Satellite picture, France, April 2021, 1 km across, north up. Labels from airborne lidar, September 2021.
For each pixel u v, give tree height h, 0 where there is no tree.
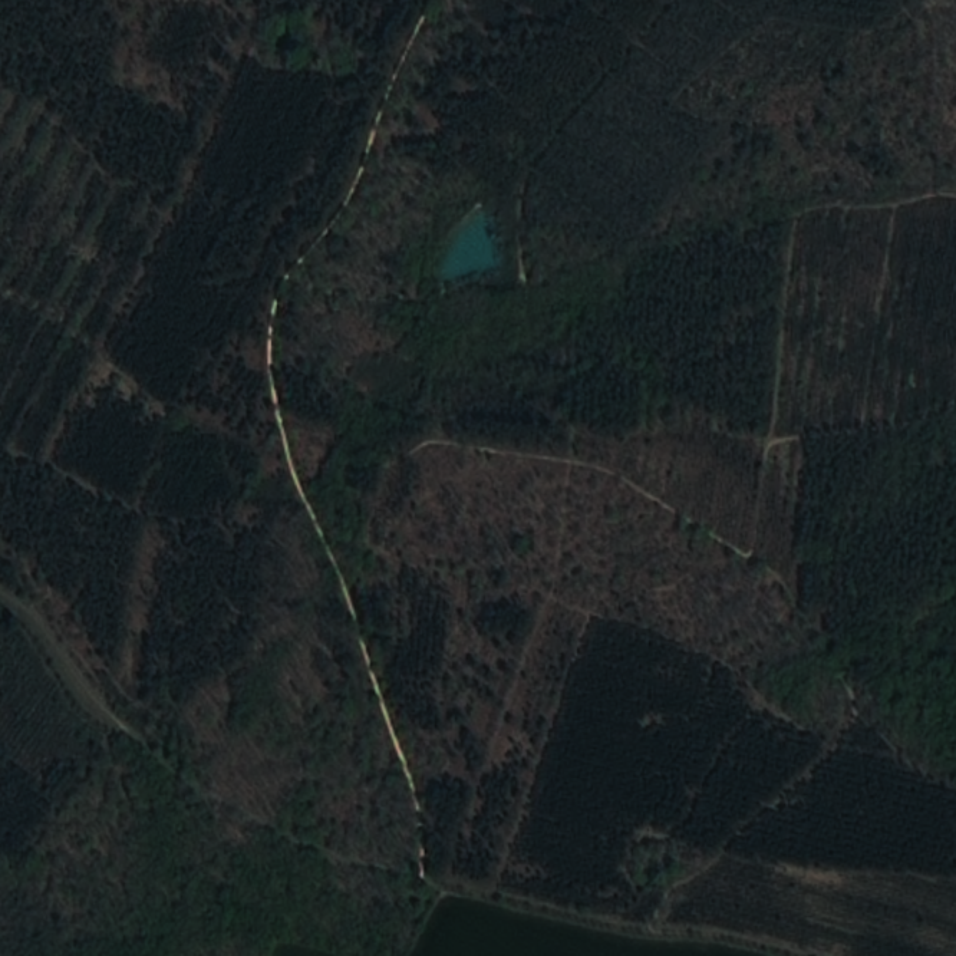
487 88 20
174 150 21
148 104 12
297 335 11
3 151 12
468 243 0
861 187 15
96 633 16
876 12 15
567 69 22
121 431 12
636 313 19
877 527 19
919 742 16
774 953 11
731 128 6
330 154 13
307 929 21
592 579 13
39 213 6
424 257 16
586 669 11
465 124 18
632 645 9
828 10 18
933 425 17
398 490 7
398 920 18
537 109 21
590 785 10
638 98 10
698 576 5
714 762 11
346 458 19
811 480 15
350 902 18
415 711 10
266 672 18
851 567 22
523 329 19
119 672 20
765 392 17
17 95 16
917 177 17
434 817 22
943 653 7
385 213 13
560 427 8
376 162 16
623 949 0
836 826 12
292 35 15
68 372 9
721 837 13
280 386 21
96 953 22
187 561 19
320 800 8
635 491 10
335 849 17
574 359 11
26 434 9
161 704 14
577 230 7
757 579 16
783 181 7
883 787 14
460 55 19
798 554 14
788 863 12
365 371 6
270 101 11
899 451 17
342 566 19
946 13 13
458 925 0
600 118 11
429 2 15
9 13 16
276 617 22
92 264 7
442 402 8
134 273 13
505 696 9
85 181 12
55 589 18
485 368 16
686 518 10
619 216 11
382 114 10
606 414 25
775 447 0
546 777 10
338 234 15
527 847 8
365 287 13
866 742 10
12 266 10
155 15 17
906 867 14
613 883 10
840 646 17
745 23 7
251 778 22
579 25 21
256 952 24
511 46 22
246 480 15
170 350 13
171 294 12
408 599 9
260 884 23
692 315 18
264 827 21
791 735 14
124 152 21
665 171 11
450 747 11
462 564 8
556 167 13
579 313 16
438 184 16
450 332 18
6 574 19
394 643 11
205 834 22
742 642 18
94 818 14
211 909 20
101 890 18
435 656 9
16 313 8
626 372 18
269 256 14
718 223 14
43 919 8
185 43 9
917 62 15
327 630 26
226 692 22
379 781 10
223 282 22
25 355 8
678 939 13
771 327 19
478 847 14
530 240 13
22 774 14
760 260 20
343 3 9
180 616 13
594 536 8
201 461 9
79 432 11
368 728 12
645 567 12
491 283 6
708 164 6
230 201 12
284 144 13
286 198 25
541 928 0
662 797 9
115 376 9
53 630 8
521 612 20
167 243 12
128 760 20
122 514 19
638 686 10
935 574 26
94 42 19
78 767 9
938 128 12
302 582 23
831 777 11
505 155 18
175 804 21
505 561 13
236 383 11
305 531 24
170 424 11
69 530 19
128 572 20
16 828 13
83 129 20
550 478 10
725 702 11
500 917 0
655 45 9
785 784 13
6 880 18
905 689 19
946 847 11
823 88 6
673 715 8
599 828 11
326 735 9
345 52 13
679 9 13
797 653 17
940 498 18
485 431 25
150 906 24
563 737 10
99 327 10
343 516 18
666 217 7
